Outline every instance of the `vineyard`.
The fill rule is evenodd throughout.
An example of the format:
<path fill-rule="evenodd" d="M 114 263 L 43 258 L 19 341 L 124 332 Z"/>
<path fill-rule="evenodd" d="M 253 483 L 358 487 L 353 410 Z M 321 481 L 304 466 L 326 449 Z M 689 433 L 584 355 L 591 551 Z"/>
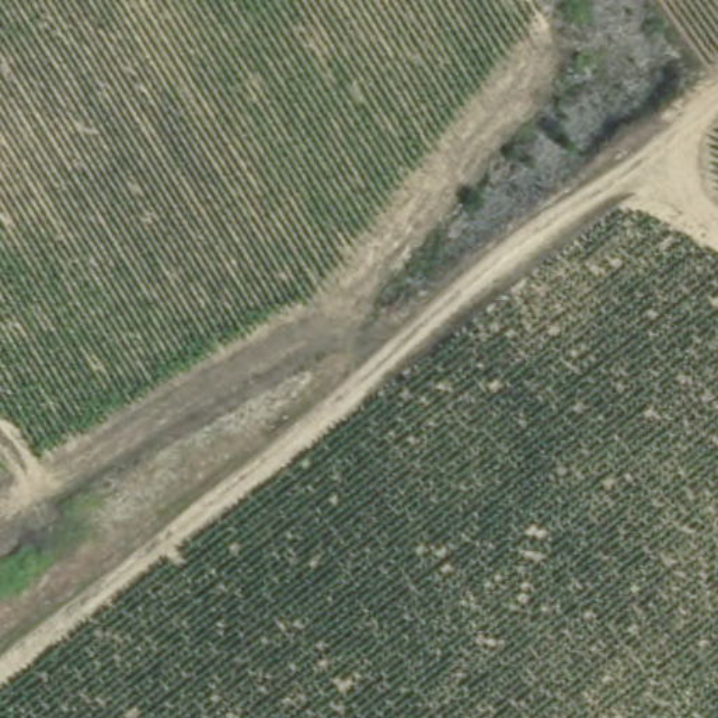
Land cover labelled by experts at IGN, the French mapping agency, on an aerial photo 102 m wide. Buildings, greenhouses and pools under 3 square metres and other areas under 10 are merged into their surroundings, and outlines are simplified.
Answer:
<path fill-rule="evenodd" d="M 541 11 L 539 0 L 0 0 L 0 513 L 6 519 L 14 519 L 31 502 L 62 491 L 53 471 L 45 471 L 39 466 L 36 454 L 65 443 L 70 435 L 87 432 L 93 424 L 101 424 L 109 415 L 109 409 L 118 409 L 140 398 L 146 390 L 185 370 L 213 348 L 247 334 L 269 314 L 292 303 L 303 303 L 314 292 L 320 292 L 325 275 L 342 264 L 339 250 L 353 244 L 356 236 L 376 222 L 376 216 L 384 208 L 390 208 L 390 194 L 398 191 L 401 180 L 407 180 L 421 165 L 424 154 L 438 151 L 440 135 L 466 107 L 466 101 L 474 93 L 480 93 L 494 65 L 499 59 L 508 59 L 510 48 L 530 34 L 533 17 Z"/>
<path fill-rule="evenodd" d="M 668 25 L 673 25 L 701 70 L 718 62 L 718 0 L 639 0 L 642 20 L 662 17 Z"/>
<path fill-rule="evenodd" d="M 22 668 L 0 684 L 0 718 L 718 718 L 718 252 L 712 247 L 701 247 L 687 233 L 673 230 L 642 210 L 623 210 L 631 194 L 620 191 L 609 196 L 606 202 L 583 213 L 578 222 L 564 227 L 530 258 L 524 258 L 510 272 L 496 278 L 452 320 L 446 320 L 418 351 L 404 356 L 395 365 L 395 370 L 390 370 L 359 401 L 353 412 L 337 421 L 311 446 L 300 449 L 283 468 L 278 468 L 272 477 L 255 485 L 236 505 L 222 510 L 213 522 L 188 536 L 180 544 L 180 564 L 171 564 L 168 558 L 151 564 L 109 603 L 104 603 L 84 623 L 70 628 L 65 639 L 48 645 L 28 668 Z"/>

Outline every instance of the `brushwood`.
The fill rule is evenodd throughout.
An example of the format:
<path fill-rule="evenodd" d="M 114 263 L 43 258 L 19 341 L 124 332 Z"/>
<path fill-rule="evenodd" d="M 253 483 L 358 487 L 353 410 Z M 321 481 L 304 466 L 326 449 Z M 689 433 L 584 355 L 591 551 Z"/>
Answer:
<path fill-rule="evenodd" d="M 20 555 L 0 564 L 0 597 L 14 597 L 31 589 L 36 578 L 48 569 L 42 567 L 34 550 L 22 550 Z"/>

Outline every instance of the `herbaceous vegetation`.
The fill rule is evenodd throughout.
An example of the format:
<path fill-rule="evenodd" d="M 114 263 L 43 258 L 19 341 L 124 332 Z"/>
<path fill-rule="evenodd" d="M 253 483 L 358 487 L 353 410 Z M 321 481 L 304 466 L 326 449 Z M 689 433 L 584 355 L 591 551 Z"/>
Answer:
<path fill-rule="evenodd" d="M 199 502 L 227 477 L 233 477 L 238 468 L 261 457 L 283 432 L 289 432 L 309 412 L 314 412 L 376 351 L 381 351 L 429 303 L 438 300 L 438 294 L 443 294 L 471 266 L 477 266 L 508 236 L 519 233 L 541 210 L 569 199 L 597 177 L 625 163 L 639 149 L 645 149 L 656 135 L 662 135 L 668 126 L 659 118 L 659 112 L 668 109 L 679 95 L 696 90 L 701 70 L 673 25 L 668 25 L 662 17 L 642 20 L 639 0 L 539 0 L 541 11 L 533 17 L 530 34 L 510 48 L 508 59 L 499 59 L 494 65 L 480 93 L 474 93 L 466 101 L 466 107 L 440 135 L 438 151 L 424 154 L 421 165 L 407 180 L 401 180 L 398 191 L 390 194 L 390 208 L 384 208 L 376 216 L 376 222 L 356 236 L 353 244 L 339 250 L 342 264 L 325 275 L 320 292 L 314 292 L 303 303 L 292 303 L 269 314 L 247 334 L 213 348 L 185 370 L 146 390 L 140 398 L 118 409 L 109 409 L 109 415 L 101 424 L 93 424 L 87 432 L 70 435 L 65 443 L 36 454 L 39 466 L 45 471 L 53 471 L 62 491 L 31 502 L 14 519 L 6 519 L 0 513 L 0 564 L 20 555 L 22 550 L 34 550 L 42 567 L 48 569 L 36 578 L 31 589 L 14 597 L 0 597 L 0 656 L 8 653 L 17 642 L 22 642 L 31 631 L 36 631 L 42 623 L 48 623 L 59 609 L 84 603 L 93 586 L 98 586 L 112 569 L 118 569 L 137 550 L 143 550 L 151 539 L 157 539 L 182 510 Z"/>

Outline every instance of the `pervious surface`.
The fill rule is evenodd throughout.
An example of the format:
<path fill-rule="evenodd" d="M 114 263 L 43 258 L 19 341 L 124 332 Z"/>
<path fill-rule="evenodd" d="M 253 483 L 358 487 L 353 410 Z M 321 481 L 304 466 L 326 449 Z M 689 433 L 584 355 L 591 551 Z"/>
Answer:
<path fill-rule="evenodd" d="M 656 135 L 645 149 L 639 149 L 625 163 L 597 177 L 569 199 L 541 210 L 519 233 L 508 236 L 477 266 L 471 266 L 443 294 L 438 294 L 438 300 L 429 303 L 381 351 L 376 351 L 314 412 L 309 412 L 289 432 L 283 432 L 261 457 L 238 468 L 233 477 L 227 477 L 199 502 L 182 510 L 157 539 L 151 539 L 143 550 L 137 550 L 118 569 L 112 569 L 98 586 L 93 586 L 84 603 L 59 609 L 48 623 L 42 623 L 36 631 L 31 631 L 22 642 L 17 642 L 8 653 L 0 656 L 0 684 L 22 668 L 28 668 L 48 645 L 65 639 L 70 628 L 84 623 L 104 603 L 109 603 L 151 564 L 168 558 L 171 564 L 180 564 L 180 544 L 188 536 L 213 522 L 222 510 L 236 505 L 255 485 L 272 477 L 278 468 L 283 468 L 300 449 L 311 446 L 337 421 L 353 412 L 359 401 L 390 370 L 395 370 L 395 365 L 404 356 L 418 351 L 446 320 L 452 320 L 496 278 L 510 272 L 524 258 L 530 258 L 564 227 L 578 222 L 583 213 L 606 202 L 609 196 L 620 191 L 631 194 L 623 210 L 642 210 L 673 230 L 687 233 L 701 247 L 712 247 L 718 252 L 718 62 L 701 70 L 696 90 L 679 95 L 668 109 L 659 112 L 659 118 L 668 126 L 662 135 Z"/>

